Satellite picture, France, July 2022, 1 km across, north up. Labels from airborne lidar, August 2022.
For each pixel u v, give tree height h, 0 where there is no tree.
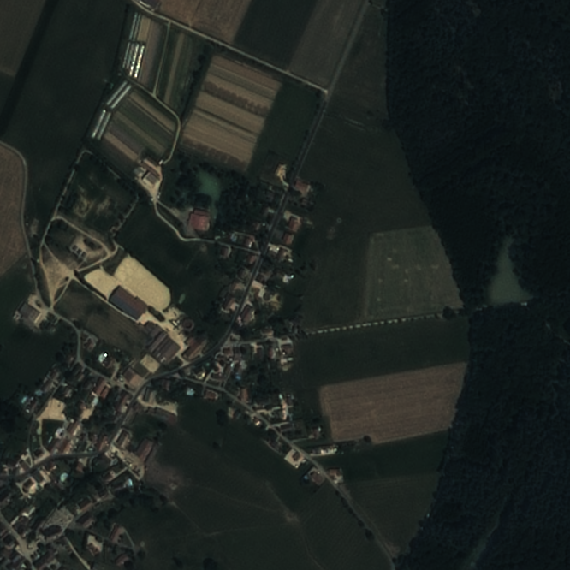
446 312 12
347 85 0
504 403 26
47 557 0
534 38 24
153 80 0
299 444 0
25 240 0
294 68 0
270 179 0
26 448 0
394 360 0
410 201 0
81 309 0
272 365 0
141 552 8
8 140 0
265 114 0
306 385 0
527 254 22
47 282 0
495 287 0
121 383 0
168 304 0
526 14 25
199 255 0
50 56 0
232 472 0
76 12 0
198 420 0
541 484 21
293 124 0
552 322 20
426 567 24
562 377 26
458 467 20
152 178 0
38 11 0
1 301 0
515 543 16
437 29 22
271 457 0
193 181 14
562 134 14
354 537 0
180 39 0
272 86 0
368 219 0
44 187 0
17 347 0
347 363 0
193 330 6
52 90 0
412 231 0
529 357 27
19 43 0
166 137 0
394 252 0
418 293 0
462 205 10
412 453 0
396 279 0
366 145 0
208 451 0
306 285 0
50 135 0
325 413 0
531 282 21
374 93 0
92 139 0
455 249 10
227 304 0
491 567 22
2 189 0
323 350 0
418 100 25
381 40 0
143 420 0
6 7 0
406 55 22
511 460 19
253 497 0
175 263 0
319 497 0
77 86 0
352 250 0
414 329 0
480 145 25
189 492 0
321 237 0
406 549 0
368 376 0
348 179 0
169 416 0
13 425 21
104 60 0
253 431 0
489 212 10
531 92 20
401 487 0
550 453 26
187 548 0
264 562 0
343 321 0
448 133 21
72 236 0
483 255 8
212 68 0
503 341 19
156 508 17
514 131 18
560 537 22
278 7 0
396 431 0
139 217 0
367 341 0
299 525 0
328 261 0
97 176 0
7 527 0
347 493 0
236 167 0
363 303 0
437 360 0
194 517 0
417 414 0
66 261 0
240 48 0
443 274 0
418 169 17
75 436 0
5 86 0
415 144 17
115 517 13
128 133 0
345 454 0
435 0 27
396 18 20
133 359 0
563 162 18
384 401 0
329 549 0
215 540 0
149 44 0
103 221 0
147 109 0
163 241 0
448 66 25
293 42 0
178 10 0
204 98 0
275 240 0
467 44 20
